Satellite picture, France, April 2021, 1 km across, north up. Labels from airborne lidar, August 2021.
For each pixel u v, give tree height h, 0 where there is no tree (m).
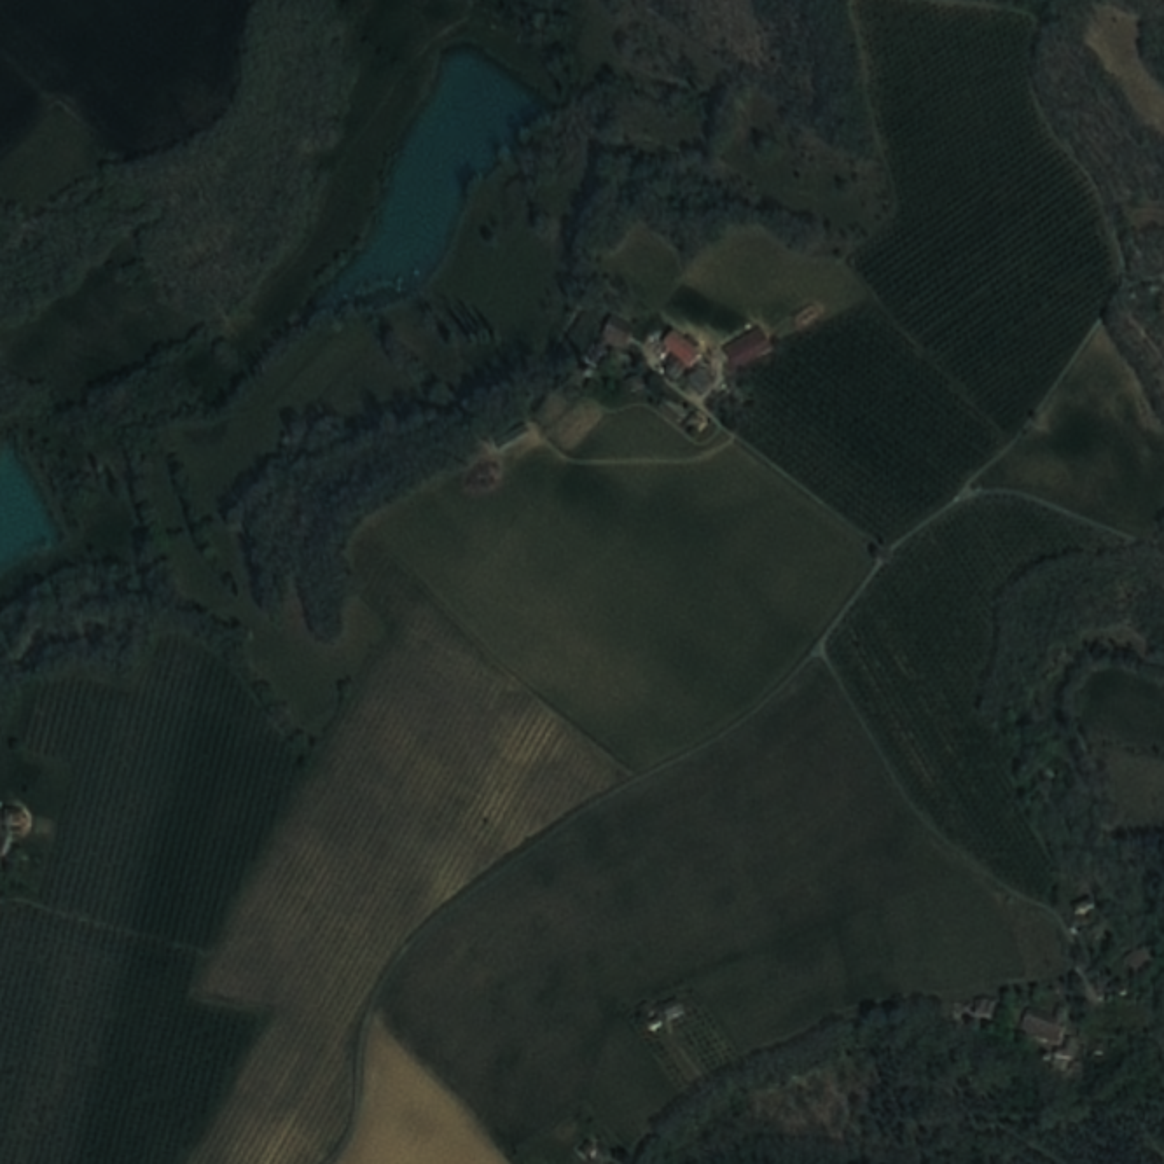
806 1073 24
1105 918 13
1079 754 15
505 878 0
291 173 19
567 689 0
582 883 0
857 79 17
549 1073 0
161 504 0
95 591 12
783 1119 10
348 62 18
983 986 0
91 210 15
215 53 0
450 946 0
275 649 0
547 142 8
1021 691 15
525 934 0
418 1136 0
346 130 10
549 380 13
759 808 0
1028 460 0
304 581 18
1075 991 9
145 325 0
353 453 13
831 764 0
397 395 0
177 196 14
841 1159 16
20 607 12
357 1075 0
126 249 0
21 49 0
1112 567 17
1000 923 0
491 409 24
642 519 0
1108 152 19
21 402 21
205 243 8
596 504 0
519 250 0
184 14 0
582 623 0
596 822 0
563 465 0
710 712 0
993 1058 26
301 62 10
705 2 6
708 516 0
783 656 0
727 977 0
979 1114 17
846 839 0
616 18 17
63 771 0
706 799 0
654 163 8
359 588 16
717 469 0
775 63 7
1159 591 9
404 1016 0
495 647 0
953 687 5
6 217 11
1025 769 16
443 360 0
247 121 13
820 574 0
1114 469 0
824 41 12
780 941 0
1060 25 19
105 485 9
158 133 0
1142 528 0
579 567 0
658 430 0
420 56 0
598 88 6
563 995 0
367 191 0
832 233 11
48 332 0
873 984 0
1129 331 12
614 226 22
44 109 0
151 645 10
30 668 8
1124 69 0
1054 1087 25
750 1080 27
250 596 0
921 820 0
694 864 0
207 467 0
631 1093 0
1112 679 0
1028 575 15
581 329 0
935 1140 11
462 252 0
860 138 14
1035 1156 16
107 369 0
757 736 0
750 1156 10
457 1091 0
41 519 0
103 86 0
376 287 7
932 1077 11
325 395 0
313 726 0
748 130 0
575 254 17
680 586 0
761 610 0
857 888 0
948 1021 16
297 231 20
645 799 0
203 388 8
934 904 0
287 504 8
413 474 17
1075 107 17
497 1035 0
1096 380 0
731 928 0
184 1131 6
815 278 0
